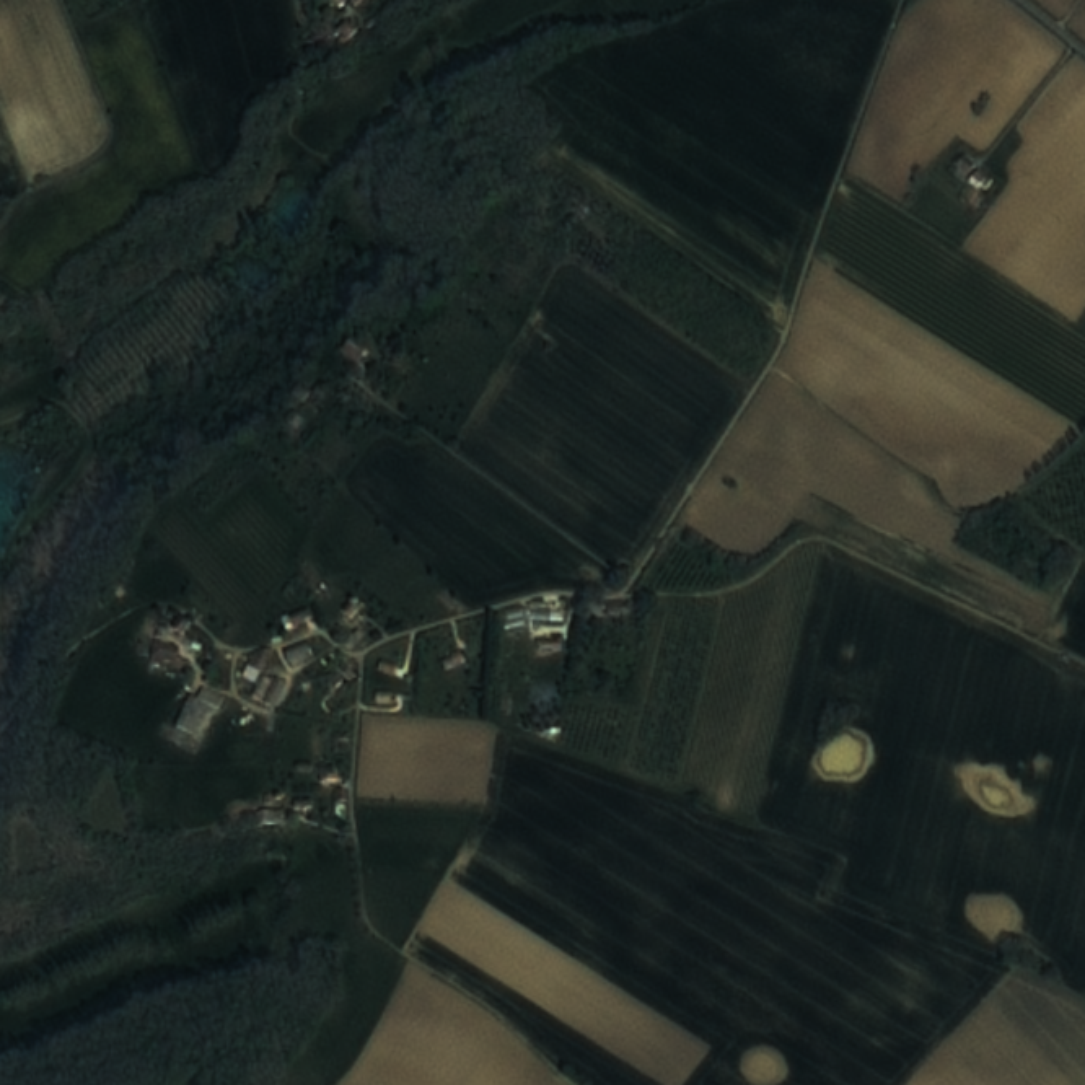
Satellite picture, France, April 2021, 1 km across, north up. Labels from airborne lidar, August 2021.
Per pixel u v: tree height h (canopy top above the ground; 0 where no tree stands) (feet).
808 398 0
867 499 0
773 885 0
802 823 0
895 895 0
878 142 0
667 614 0
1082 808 0
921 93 0
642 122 0
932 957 0
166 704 0
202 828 0
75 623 60
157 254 63
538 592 0
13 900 35
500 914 0
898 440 0
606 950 0
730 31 0
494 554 0
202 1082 60
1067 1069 0
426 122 74
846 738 0
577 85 0
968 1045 0
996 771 0
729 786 0
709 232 0
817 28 0
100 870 38
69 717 0
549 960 0
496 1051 0
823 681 0
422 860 0
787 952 0
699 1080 0
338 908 0
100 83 0
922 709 0
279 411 21
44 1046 62
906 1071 0
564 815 0
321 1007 68
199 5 0
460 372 0
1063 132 0
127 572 24
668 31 0
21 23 0
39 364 50
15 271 0
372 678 0
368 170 65
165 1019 81
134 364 111
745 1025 0
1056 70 0
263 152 78
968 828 0
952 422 0
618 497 0
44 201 0
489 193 75
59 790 50
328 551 0
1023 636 0
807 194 0
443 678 0
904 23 0
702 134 0
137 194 0
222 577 0
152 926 0
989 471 0
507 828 0
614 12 0
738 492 0
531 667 0
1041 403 0
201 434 43
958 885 0
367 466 0
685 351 0
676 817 0
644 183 0
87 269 73
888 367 0
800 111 0
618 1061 0
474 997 0
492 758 0
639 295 35
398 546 36
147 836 35
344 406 20
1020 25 0
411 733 0
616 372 0
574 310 0
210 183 41
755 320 43
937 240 0
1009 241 0
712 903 0
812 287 0
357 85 0
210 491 23
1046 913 0
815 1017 0
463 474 0
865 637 0
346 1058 0
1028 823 0
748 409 0
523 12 0
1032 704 0
